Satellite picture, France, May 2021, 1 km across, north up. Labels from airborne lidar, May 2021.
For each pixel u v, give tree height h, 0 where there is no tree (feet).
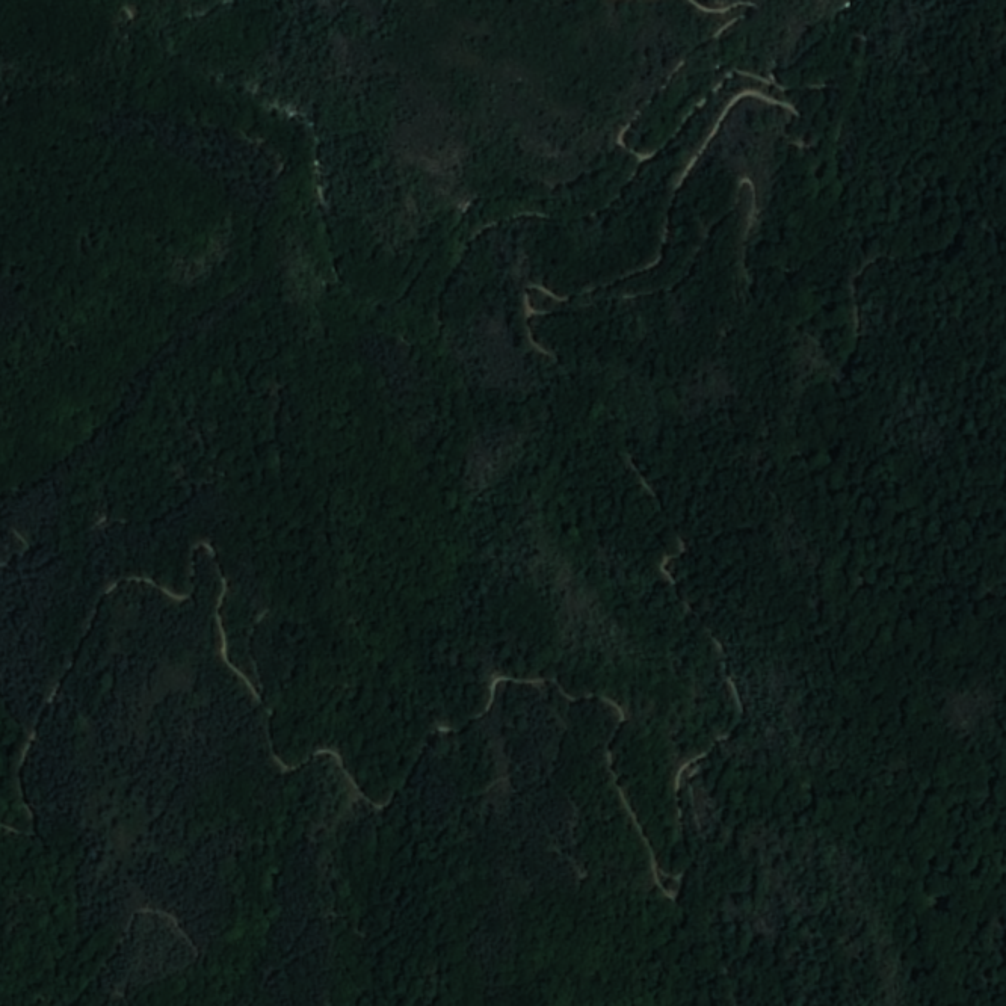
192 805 38
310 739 27
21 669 50
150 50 71
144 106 60
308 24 46
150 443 44
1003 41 31
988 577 65
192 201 74
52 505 56
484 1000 50
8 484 52
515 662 51
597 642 18
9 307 74
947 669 64
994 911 42
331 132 40
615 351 72
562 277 45
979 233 126
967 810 55
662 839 35
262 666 22
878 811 69
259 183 58
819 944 39
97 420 48
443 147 23
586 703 40
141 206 47
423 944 48
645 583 48
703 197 46
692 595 53
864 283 44
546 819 55
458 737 39
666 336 39
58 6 55
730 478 73
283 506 85
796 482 63
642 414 73
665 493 52
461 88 23
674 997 47
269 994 42
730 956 47
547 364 41
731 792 67
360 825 33
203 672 40
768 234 63
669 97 72
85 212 38
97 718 37
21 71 28
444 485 39
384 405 52
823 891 35
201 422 30
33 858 47
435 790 50
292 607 47
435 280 58
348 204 45
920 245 90
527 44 30
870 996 33
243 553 55
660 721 26
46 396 86
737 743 27
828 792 58
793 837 40
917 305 52
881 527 84
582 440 58
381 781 93
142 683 45
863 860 29
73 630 35
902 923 61
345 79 27
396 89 20
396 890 42
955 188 74
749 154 32
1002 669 52
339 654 62
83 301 66
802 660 42
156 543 38
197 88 64
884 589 92
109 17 30
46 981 48
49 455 64
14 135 94
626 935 51
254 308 53
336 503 73
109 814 39
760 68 48
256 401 36
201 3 46
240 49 34
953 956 84
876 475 71
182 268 29
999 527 78
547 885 44
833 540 51
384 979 56
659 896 59
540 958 75
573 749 48
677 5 30
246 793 34
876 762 43
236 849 22
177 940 21
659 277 42
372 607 47
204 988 65
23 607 40
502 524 39
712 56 67
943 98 88
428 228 30
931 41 59
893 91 45
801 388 47
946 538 66
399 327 58
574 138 37
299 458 70
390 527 70
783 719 42
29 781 39
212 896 47
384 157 32
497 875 57
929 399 26
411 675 36
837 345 89
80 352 67
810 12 31
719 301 31
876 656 64
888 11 23
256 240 47
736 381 26
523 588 31
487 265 40
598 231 63
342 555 51
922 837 94
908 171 40
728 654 41
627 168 57
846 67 63
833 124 48
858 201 65
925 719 33
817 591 34
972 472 65
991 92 98
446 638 55
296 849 50
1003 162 98
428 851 52
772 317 65
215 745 48
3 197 56
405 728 48
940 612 45
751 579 55
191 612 24
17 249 65
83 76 34
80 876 35
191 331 56
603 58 28
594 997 66
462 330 27
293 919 46
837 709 56
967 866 106
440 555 53
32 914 31
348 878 31
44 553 60
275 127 33
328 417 63
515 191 59
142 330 96
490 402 28
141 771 47
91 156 60
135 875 47
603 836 26
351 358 44
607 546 34
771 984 56
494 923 62
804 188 98
